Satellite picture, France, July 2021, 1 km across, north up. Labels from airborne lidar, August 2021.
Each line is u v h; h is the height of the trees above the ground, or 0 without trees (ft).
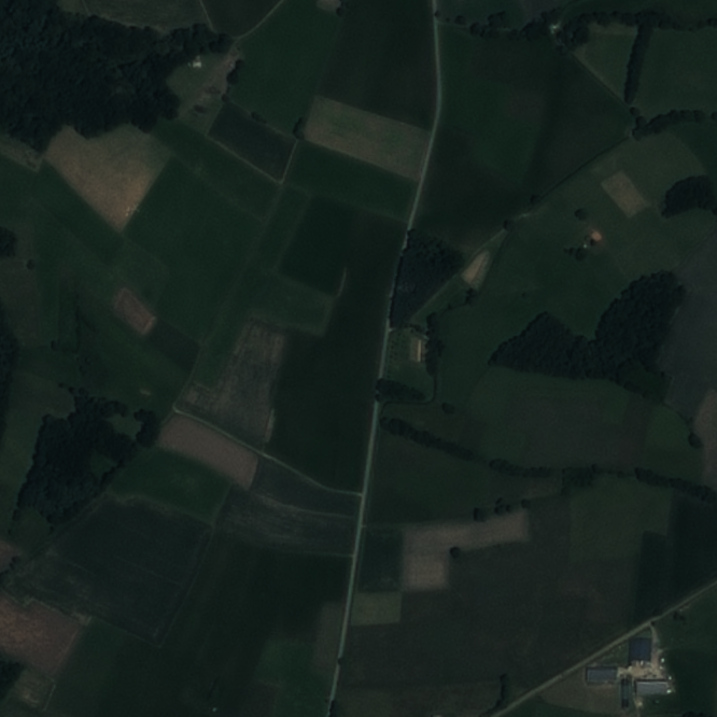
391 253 0
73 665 0
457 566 0
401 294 62
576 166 0
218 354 0
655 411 0
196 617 0
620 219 0
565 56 76
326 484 0
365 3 0
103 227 0
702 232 0
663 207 21
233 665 0
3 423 53
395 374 0
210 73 0
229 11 0
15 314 0
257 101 0
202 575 0
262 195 0
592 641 0
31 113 89
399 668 0
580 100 0
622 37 0
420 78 0
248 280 0
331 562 0
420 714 0
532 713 0
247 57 0
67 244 0
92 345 0
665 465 0
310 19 0
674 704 0
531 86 0
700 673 0
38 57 84
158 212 0
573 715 0
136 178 0
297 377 0
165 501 0
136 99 93
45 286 0
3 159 0
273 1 0
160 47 82
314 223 0
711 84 0
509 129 0
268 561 0
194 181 0
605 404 0
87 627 0
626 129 0
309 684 0
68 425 55
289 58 0
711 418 0
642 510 0
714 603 0
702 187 53
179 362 0
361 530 0
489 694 0
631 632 0
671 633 0
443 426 0
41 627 0
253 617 0
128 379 0
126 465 58
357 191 0
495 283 0
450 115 0
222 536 0
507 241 0
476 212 0
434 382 0
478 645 0
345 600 0
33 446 0
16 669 43
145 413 46
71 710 0
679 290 26
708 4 0
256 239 0
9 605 0
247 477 0
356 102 0
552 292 0
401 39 0
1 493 0
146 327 0
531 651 0
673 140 0
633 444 0
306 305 0
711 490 53
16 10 77
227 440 0
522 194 0
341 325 0
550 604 0
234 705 0
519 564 0
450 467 0
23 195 0
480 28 54
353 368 0
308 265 0
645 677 0
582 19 49
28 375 0
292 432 0
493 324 0
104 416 63
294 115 0
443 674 0
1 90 81
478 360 0
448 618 0
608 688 0
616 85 0
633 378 0
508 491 0
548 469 27
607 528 0
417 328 36
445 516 0
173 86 0
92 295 0
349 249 0
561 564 0
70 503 72
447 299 0
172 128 0
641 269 0
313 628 0
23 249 0
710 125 0
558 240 0
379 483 0
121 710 0
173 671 0
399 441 0
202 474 0
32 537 0
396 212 0
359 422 0
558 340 69
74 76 76
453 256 74
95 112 89
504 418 0
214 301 0
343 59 0
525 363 61
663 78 0
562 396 0
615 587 0
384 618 0
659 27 52
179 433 0
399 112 0
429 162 0
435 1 0
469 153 0
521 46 0
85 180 0
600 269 0
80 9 0
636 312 72
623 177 0
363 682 0
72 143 0
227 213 0
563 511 0
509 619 0
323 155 0
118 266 0
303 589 0
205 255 0
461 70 0
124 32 86
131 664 0
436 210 0
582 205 0
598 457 0
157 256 0
